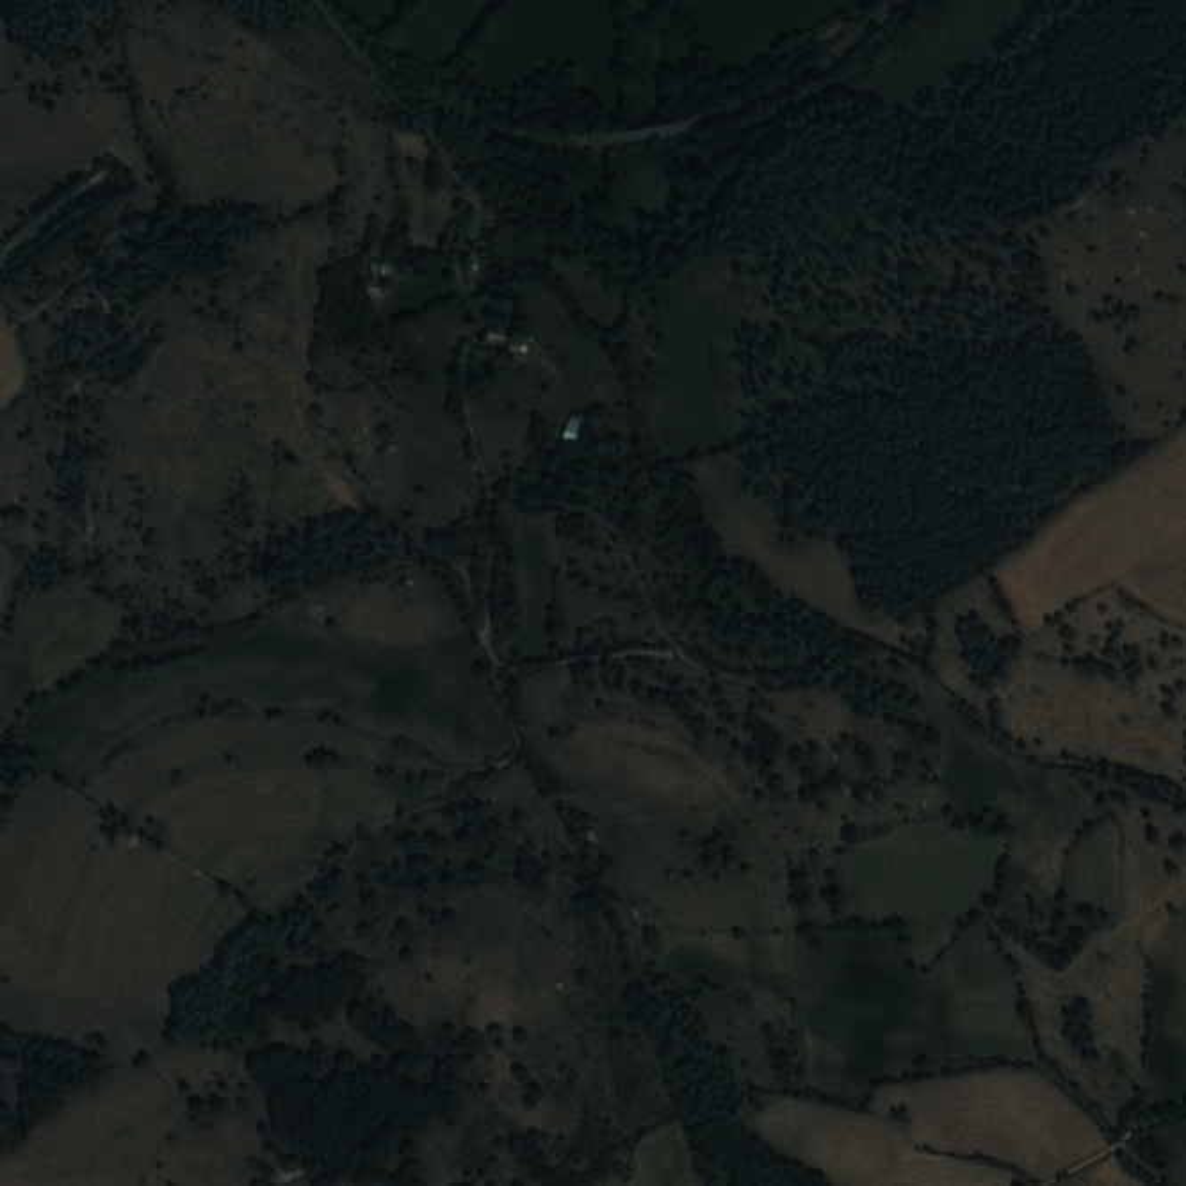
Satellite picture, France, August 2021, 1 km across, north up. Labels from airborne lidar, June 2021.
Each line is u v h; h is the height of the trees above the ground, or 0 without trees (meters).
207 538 0
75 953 0
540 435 14
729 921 0
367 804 0
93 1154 0
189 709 0
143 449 0
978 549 17
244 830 0
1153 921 0
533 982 0
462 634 0
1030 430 12
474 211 11
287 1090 19
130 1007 0
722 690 10
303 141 0
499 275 8
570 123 18
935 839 0
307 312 0
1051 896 0
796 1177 14
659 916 0
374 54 7
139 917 0
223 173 0
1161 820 0
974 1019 0
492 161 8
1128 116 11
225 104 0
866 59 7
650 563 0
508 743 0
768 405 15
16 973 0
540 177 13
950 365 14
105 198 10
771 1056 8
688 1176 0
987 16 0
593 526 6
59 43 15
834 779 11
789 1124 0
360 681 0
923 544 16
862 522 15
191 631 11
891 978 0
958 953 0
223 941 0
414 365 6
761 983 0
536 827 0
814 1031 0
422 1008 0
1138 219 0
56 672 0
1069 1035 9
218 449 0
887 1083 7
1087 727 0
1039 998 0
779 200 15
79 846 0
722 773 0
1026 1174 8
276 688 0
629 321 9
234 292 0
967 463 11
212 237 8
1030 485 16
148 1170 0
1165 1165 11
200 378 0
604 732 0
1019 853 0
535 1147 11
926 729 7
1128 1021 0
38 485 0
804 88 14
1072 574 0
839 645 10
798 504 13
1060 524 0
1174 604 0
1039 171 8
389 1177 9
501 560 7
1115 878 0
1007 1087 0
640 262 12
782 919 0
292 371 0
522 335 14
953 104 9
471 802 5
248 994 15
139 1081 0
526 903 0
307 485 0
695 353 0
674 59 0
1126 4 13
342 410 0
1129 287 0
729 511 0
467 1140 0
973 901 0
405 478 0
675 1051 8
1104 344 0
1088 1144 0
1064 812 0
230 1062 0
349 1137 16
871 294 0
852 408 16
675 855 0
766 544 0
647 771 0
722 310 0
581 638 7
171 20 0
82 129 0
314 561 16
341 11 16
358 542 11
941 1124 0
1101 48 13
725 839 9
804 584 0
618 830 0
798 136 20
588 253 8
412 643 0
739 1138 14
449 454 0
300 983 16
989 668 15
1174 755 0
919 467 13
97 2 15
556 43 0
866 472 16
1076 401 14
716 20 0
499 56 0
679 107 18
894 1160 0
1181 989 0
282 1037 0
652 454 7
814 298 10
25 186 0
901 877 0
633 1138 7
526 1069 10
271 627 0
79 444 11
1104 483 7
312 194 0
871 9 15
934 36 0
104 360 6
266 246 0
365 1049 0
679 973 0
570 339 0
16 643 0
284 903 0
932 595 14
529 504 13
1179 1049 0
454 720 0
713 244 12
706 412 0
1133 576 0
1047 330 6
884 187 14
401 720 0
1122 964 0
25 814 0
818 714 0
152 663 13
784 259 11
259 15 7
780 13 0
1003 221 9
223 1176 0
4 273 7
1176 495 0
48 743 0
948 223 11
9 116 0
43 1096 13
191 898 0
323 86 0
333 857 8
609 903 10
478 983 0
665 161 18
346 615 0
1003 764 0
